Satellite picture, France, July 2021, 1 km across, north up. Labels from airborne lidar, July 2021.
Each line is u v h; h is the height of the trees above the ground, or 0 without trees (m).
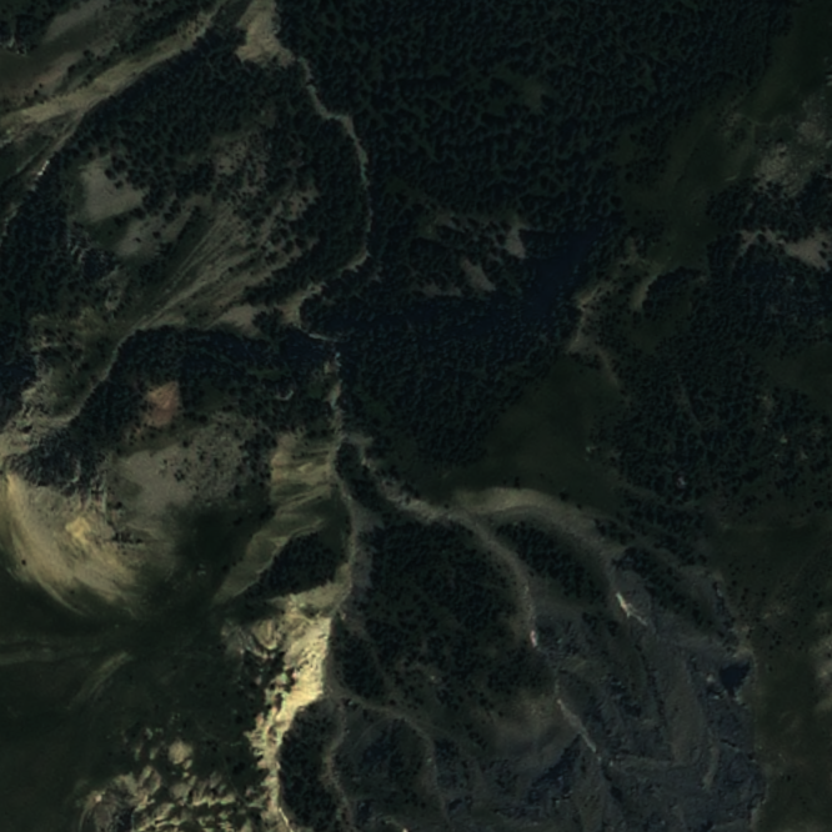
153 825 0
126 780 0
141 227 0
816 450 11
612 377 0
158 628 0
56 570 0
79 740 0
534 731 0
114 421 20
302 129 20
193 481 0
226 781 0
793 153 0
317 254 20
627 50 6
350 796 0
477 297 9
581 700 0
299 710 0
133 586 0
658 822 0
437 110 21
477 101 10
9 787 0
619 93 23
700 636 0
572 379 0
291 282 18
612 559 0
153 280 7
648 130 12
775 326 14
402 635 9
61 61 0
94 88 0
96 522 0
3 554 0
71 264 12
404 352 16
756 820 0
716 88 23
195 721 0
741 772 0
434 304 14
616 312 7
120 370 15
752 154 0
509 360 21
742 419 15
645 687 0
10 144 6
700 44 20
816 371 0
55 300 15
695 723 0
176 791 0
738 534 0
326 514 0
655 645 0
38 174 0
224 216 0
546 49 14
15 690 0
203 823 0
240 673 0
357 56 23
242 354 20
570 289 10
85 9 0
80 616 0
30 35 16
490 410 7
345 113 11
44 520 0
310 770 10
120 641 0
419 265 18
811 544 0
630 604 0
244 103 28
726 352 7
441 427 10
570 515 0
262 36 0
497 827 0
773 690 0
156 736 0
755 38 26
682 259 0
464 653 9
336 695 0
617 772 0
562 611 0
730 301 12
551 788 0
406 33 15
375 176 12
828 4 0
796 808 0
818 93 0
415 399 16
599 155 18
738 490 13
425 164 25
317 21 29
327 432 17
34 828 0
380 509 10
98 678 0
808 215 19
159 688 0
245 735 0
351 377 17
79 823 0
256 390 10
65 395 0
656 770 0
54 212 20
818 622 0
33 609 0
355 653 8
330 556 7
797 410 14
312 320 16
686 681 0
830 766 0
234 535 0
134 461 0
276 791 0
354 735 0
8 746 0
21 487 0
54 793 0
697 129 0
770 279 11
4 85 0
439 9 18
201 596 0
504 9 9
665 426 11
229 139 0
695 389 7
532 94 0
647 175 9
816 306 8
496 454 0
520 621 0
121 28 0
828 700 0
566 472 0
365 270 6
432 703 0
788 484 12
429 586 10
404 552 14
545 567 12
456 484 0
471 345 12
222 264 0
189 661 0
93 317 0
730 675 0
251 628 0
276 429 12
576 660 0
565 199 19
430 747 0
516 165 16
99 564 0
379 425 14
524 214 13
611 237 19
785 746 0
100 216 0
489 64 18
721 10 26
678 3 17
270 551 0
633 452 9
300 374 18
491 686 7
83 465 8
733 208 14
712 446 13
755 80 16
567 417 0
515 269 8
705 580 0
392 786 0
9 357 11
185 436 0
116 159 14
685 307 0
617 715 0
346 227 19
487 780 0
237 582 0
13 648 0
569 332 14
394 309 22
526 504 0
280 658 11
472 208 24
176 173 17
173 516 0
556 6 25
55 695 0
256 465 7
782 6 22
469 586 12
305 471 0
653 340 0
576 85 16
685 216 0
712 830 0
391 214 27
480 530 0
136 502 0
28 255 11
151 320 0
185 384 10
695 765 0
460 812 0
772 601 0
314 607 0
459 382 10
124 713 0
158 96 24
